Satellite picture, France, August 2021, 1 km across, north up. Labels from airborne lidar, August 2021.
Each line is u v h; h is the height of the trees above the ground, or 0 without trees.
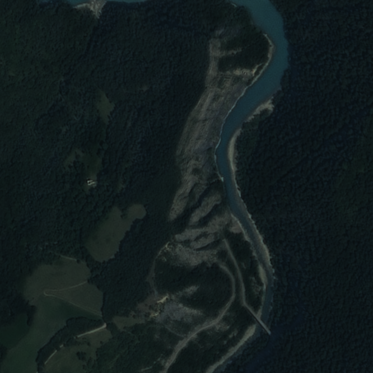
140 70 18
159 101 17
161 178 13
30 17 13
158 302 15
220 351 14
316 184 17
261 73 0
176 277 11
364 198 8
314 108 22
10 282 25
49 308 0
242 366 8
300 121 29
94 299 0
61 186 17
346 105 12
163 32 15
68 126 9
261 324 0
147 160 19
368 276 23
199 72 7
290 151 26
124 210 13
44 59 12
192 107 9
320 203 15
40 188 15
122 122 6
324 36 12
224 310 0
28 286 0
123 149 15
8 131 16
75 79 23
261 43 15
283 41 0
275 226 19
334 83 29
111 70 10
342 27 25
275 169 12
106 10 8
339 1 16
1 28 8
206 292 9
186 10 19
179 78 21
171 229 7
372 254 28
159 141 20
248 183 10
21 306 16
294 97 6
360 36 32
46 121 20
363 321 23
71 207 22
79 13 14
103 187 21
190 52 17
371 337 24
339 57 30
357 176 7
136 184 13
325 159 18
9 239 29
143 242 13
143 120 12
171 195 10
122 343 12
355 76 23
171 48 19
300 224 18
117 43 17
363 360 18
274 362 24
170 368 9
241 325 8
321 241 28
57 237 10
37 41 10
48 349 10
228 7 9
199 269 16
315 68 25
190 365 17
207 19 13
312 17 17
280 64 0
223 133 0
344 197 18
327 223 19
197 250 7
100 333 0
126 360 11
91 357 6
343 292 21
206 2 13
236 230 0
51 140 8
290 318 16
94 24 9
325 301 22
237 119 0
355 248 21
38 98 9
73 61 18
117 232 0
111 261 16
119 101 6
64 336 10
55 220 6
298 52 13
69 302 0
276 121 16
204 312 8
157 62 17
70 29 18
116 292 14
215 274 12
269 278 0
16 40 10
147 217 13
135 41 17
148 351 11
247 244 14
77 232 18
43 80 17
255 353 6
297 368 27
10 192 22
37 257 15
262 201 14
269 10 0
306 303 31
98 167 0
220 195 5
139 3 11
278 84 0
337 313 26
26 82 15
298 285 33
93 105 6
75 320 13
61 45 10
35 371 0
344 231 16
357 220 21
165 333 8
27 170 14
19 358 0
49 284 0
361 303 21
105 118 0
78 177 18
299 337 25
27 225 21
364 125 26
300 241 19
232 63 7
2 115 13
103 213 19
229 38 7
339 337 24
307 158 8
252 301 20
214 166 6
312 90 23
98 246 0
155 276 6
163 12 15
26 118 13
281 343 23
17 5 13
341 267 26
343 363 20
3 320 18
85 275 0
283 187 19
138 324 10
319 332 25
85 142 16
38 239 15
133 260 12
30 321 11
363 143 17
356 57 19
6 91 16
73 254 10
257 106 0
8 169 21
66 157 8
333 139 23
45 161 14
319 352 24
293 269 15
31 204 17
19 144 9
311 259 8
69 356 0
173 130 11
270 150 24
